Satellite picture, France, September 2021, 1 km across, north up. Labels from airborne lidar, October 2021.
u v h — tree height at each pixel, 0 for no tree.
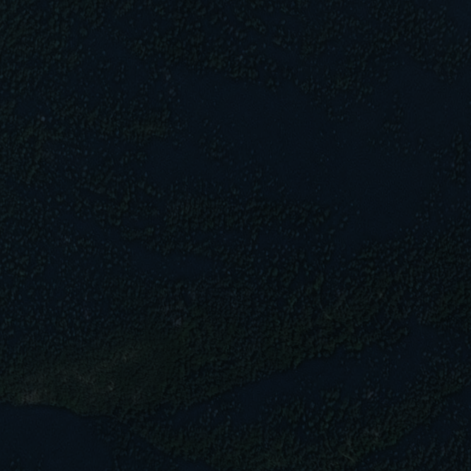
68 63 25
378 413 24
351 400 23
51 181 6
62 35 22
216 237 29
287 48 30
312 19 28
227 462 21
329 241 17
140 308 26
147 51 28
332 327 10
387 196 30
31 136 21
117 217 19
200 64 17
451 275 26
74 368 14
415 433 23
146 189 32
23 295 20
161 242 30
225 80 28
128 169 21
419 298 24
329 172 39
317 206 28
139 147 33
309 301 6
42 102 16
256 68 25
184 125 24
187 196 28
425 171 22
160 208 8
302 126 20
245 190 31
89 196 6
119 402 28
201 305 29
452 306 22
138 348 15
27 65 16
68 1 30
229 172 25
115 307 30
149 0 10
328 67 29
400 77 24
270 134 39
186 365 29
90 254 22
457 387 26
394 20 34
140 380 14
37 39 23
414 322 15
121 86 18
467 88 30
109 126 23
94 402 23
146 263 22
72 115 15
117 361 17
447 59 29
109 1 18
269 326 36
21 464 14
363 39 27
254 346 36
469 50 25
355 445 7
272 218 28
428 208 35
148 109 24
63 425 30
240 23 6
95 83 22
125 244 20
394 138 29
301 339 17
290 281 25
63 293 34
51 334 17
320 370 18
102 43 15
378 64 19
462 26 32
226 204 31
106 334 26
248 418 33
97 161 22
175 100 11
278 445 30
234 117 13
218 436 24
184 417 21
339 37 28
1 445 21
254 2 11
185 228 35
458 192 27
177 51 25
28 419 28
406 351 11
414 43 26
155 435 22
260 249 21
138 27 10
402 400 25
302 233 33
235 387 25
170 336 25
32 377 14
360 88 19
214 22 26
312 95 32
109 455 29
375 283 19
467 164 32
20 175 23
